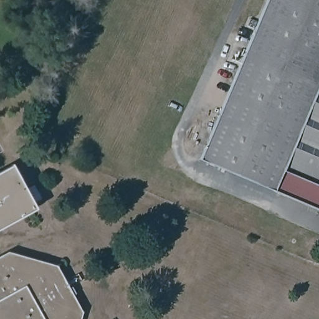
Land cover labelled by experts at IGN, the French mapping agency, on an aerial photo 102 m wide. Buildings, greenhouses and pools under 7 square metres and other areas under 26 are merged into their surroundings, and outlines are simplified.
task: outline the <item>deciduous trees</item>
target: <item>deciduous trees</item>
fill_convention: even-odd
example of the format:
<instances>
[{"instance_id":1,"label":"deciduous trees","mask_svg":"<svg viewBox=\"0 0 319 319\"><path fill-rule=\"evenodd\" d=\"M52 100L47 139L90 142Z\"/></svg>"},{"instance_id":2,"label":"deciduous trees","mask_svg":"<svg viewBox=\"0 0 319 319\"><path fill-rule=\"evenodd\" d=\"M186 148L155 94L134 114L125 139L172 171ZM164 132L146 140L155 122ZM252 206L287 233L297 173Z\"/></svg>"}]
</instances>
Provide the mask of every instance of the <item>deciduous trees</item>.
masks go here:
<instances>
[{"instance_id":1,"label":"deciduous trees","mask_svg":"<svg viewBox=\"0 0 319 319\"><path fill-rule=\"evenodd\" d=\"M161 310L153 308L152 297L147 288L141 288L132 282L128 288L128 300L137 319L161 319L164 314Z\"/></svg>"},{"instance_id":2,"label":"deciduous trees","mask_svg":"<svg viewBox=\"0 0 319 319\"><path fill-rule=\"evenodd\" d=\"M112 250L113 258L125 268L148 268L151 272L162 268L158 263L161 262L163 255L159 253L157 233L152 234L150 226L146 223L136 224L135 221L131 221L123 224L117 233L113 233L108 248Z\"/></svg>"},{"instance_id":3,"label":"deciduous trees","mask_svg":"<svg viewBox=\"0 0 319 319\"><path fill-rule=\"evenodd\" d=\"M69 199L60 194L59 201L52 211L55 218L65 221L77 212L70 206Z\"/></svg>"},{"instance_id":4,"label":"deciduous trees","mask_svg":"<svg viewBox=\"0 0 319 319\"><path fill-rule=\"evenodd\" d=\"M82 146L62 157L51 155L56 150L56 145L51 145L47 151L39 148L37 138L45 121L50 118L46 108L49 101L37 100L39 86L32 82L27 85L21 82L20 72L12 71L11 67L2 69L0 66L0 117L14 116L25 107L22 125L17 128L16 133L21 145L19 159L26 163L26 166L40 168L42 163L62 163L66 159L72 167L88 173L96 168L96 163L92 161L92 156L86 155Z\"/></svg>"},{"instance_id":5,"label":"deciduous trees","mask_svg":"<svg viewBox=\"0 0 319 319\"><path fill-rule=\"evenodd\" d=\"M123 206L116 206L115 198L111 197L111 187L106 187L97 202L97 214L106 223L115 223L128 211Z\"/></svg>"},{"instance_id":6,"label":"deciduous trees","mask_svg":"<svg viewBox=\"0 0 319 319\"><path fill-rule=\"evenodd\" d=\"M102 265L93 263L91 255L87 253L85 270L82 272L85 279L97 280L100 288L107 289L107 275L110 273Z\"/></svg>"},{"instance_id":7,"label":"deciduous trees","mask_svg":"<svg viewBox=\"0 0 319 319\"><path fill-rule=\"evenodd\" d=\"M57 25L56 16L50 15L49 10L34 10L31 15L22 15L24 7L27 6L25 0L0 0L0 49L6 44L21 47L27 62L40 71L44 65L59 70L60 66L71 62L72 56L67 55L65 37Z\"/></svg>"},{"instance_id":8,"label":"deciduous trees","mask_svg":"<svg viewBox=\"0 0 319 319\"><path fill-rule=\"evenodd\" d=\"M163 80L156 81L156 85L153 86L156 87L156 92L155 97L147 103L147 116L141 121L135 138L130 142L130 166L132 172L136 173L143 167L155 174L163 168L163 156L172 148L174 130L199 80L197 77L184 76L183 72L178 72L176 66L167 66Z\"/></svg>"}]
</instances>

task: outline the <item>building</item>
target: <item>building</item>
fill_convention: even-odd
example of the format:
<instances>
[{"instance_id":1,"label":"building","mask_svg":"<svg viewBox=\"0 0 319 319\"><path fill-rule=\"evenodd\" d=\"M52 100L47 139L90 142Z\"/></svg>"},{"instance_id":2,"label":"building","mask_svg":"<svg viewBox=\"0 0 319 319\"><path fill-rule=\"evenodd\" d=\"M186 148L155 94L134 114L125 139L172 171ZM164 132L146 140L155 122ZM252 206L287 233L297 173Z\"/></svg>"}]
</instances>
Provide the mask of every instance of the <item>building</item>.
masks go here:
<instances>
[{"instance_id":1,"label":"building","mask_svg":"<svg viewBox=\"0 0 319 319\"><path fill-rule=\"evenodd\" d=\"M17 166L0 172L0 233L39 212L40 207Z\"/></svg>"},{"instance_id":2,"label":"building","mask_svg":"<svg viewBox=\"0 0 319 319\"><path fill-rule=\"evenodd\" d=\"M219 113L216 121L218 126L211 143L206 142L206 146L203 147L201 156L207 161L207 166L216 167L221 172L232 173L245 181L257 184L273 196L274 191L279 191L319 208L319 0L264 0L258 17L262 22L257 35L234 83L231 96L226 97L221 108L214 111Z\"/></svg>"},{"instance_id":3,"label":"building","mask_svg":"<svg viewBox=\"0 0 319 319\"><path fill-rule=\"evenodd\" d=\"M60 265L12 253L11 249L0 252L0 319L83 319L79 299L67 282Z\"/></svg>"}]
</instances>

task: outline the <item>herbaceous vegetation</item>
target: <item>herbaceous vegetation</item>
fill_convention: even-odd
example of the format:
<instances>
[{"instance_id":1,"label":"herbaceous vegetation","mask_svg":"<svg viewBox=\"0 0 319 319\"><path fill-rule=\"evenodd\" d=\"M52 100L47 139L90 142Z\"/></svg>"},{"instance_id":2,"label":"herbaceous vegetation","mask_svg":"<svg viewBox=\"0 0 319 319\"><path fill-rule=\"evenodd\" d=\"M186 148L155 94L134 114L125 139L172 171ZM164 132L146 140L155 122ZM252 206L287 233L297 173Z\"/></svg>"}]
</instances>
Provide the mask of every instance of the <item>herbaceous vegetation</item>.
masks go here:
<instances>
[{"instance_id":1,"label":"herbaceous vegetation","mask_svg":"<svg viewBox=\"0 0 319 319\"><path fill-rule=\"evenodd\" d=\"M237 29L245 26L247 19L258 17L264 0L247 0L238 16Z\"/></svg>"},{"instance_id":2,"label":"herbaceous vegetation","mask_svg":"<svg viewBox=\"0 0 319 319\"><path fill-rule=\"evenodd\" d=\"M45 121L37 138L39 148L47 151L51 145L56 145L56 150L51 155L62 157L82 146L86 155L92 156L92 161L96 163L96 168L88 173L72 167L66 159L62 163L42 163L40 168L26 166L26 163L19 159L21 145L16 133L17 128L22 125L25 107L14 116L0 117L0 172L17 166L40 207L39 212L0 233L0 252L11 249L12 253L60 265L67 282L79 299L83 319L137 319L128 300L128 288L132 282L141 288L147 288L152 297L153 308L161 310L164 314L161 319L319 319L319 233L297 226L275 213L265 211L221 189L193 181L179 167L172 148L163 156L163 168L155 174L143 167L136 173L132 172L130 166L130 142L135 138L141 121L147 116L147 103L155 97L156 92L156 87L153 86L156 85L156 81L163 80L167 66L176 66L178 72L183 72L184 76L197 77L199 80L236 0L25 0L27 6L24 7L22 15L31 15L34 10L49 10L50 15L56 16L57 25L65 37L67 55L72 56L71 62L60 66L59 70L44 65L40 71L27 62L21 47L6 44L0 49L0 66L2 69L11 67L12 71L20 72L21 82L27 85L32 82L39 86L37 100L49 101L46 108L50 118ZM106 223L97 214L97 202L106 187L111 187L111 197L115 198L116 206L123 206L128 211L115 223ZM59 201L60 194L69 199L70 206L77 212L65 221L55 218L52 211ZM159 253L163 255L161 262L158 263L162 268L151 272L148 268L125 268L113 258L112 250L108 248L113 233L117 233L123 224L131 221L135 221L136 224L146 223L150 226L152 234L157 233ZM97 280L85 279L82 272L85 270L87 253L91 255L93 263L102 265L110 273L107 275L107 289L100 288Z\"/></svg>"}]
</instances>

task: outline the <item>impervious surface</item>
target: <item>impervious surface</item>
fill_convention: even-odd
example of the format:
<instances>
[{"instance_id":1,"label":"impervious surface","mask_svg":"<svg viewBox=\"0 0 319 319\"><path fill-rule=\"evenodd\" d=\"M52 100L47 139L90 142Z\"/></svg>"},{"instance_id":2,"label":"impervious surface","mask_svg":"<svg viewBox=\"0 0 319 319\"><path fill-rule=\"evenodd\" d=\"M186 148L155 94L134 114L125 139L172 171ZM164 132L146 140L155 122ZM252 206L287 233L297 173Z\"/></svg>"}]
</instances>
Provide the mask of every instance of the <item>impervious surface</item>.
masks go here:
<instances>
[{"instance_id":1,"label":"impervious surface","mask_svg":"<svg viewBox=\"0 0 319 319\"><path fill-rule=\"evenodd\" d=\"M319 233L319 208L279 191L274 191L273 196L257 184L245 181L232 173L221 172L216 167L207 166L207 161L201 156L203 147L206 146L206 142L211 143L218 126L216 121L219 113L214 111L221 108L226 97L231 96L234 83L257 35L262 22L258 17L247 19L245 26L237 29L238 16L247 0L236 0L199 80L174 130L172 148L179 167L193 181L221 189L265 211L275 213L297 226Z\"/></svg>"}]
</instances>

